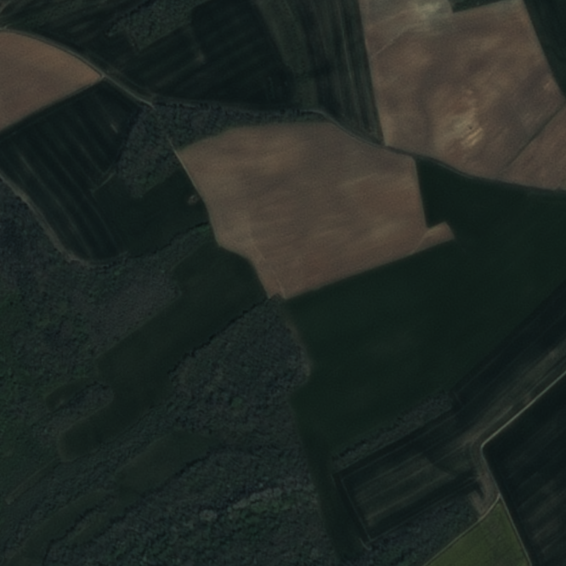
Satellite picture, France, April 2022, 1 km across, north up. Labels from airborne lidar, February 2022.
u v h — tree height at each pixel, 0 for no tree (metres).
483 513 0
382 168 0
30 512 6
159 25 18
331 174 0
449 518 18
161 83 0
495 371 0
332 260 0
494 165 0
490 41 0
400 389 0
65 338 23
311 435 0
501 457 0
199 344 0
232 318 0
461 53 0
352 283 0
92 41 0
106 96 0
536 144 0
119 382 0
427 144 0
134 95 0
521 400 0
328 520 0
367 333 0
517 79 0
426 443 0
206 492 12
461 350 0
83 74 0
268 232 0
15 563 0
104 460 9
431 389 0
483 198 0
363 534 0
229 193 0
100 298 15
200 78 0
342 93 0
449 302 0
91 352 10
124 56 0
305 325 0
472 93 0
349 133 0
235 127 19
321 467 0
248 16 0
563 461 0
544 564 0
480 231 0
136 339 0
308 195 0
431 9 0
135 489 0
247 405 19
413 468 0
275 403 7
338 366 0
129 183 18
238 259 0
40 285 22
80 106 0
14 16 0
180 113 18
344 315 0
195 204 0
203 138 18
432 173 0
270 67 0
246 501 25
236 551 24
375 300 0
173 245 12
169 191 0
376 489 0
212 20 0
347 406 0
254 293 0
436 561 0
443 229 0
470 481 0
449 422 0
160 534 11
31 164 0
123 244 0
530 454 0
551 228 0
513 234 0
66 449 0
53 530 0
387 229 0
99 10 0
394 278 0
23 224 21
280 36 0
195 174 0
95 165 0
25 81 0
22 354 11
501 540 0
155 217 0
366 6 0
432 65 0
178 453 0
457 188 0
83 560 17
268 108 0
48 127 0
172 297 10
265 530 12
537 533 0
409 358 0
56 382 18
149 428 15
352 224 0
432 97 0
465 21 0
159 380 0
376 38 0
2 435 13
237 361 16
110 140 0
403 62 0
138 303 17
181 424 15
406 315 0
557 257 0
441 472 0
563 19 0
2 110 0
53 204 0
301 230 0
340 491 0
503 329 0
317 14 0
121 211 0
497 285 0
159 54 0
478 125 0
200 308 0
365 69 0
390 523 0
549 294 0
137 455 6
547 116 0
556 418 0
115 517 0
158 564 25
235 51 0
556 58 0
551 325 0
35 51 0
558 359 0
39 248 21
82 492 8
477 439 0
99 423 0
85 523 15
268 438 22
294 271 0
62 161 0
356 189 0
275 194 0
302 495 15
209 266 0
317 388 0
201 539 25
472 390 0
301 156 0
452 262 0
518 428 0
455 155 0
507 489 0
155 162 21
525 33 0
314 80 0
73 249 0
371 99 0
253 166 0
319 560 19
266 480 9
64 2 0
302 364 14
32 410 17
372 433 0
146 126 20
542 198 0
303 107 0
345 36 0
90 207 0
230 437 0
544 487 0
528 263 0
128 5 0
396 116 0
